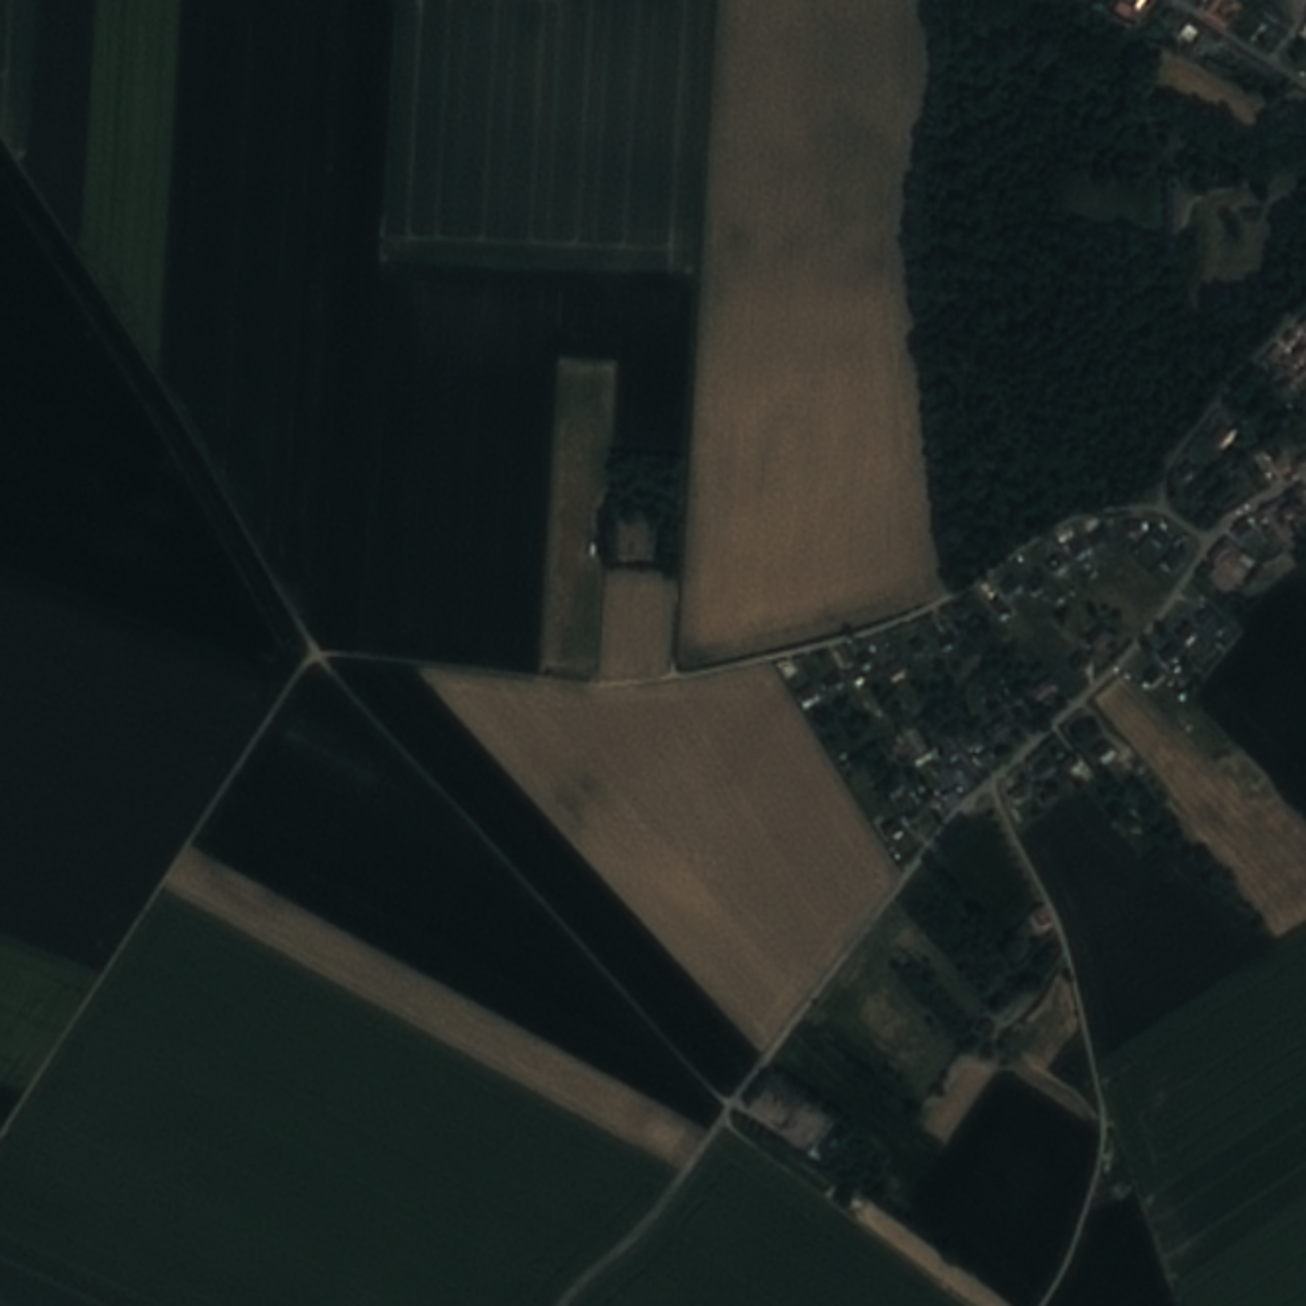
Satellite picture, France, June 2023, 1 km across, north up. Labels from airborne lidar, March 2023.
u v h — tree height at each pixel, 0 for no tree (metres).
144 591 0
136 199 0
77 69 0
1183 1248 0
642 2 0
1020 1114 0
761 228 0
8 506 0
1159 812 6
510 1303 0
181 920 0
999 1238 0
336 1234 0
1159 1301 0
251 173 0
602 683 0
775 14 0
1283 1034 0
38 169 0
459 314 0
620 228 0
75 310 0
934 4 16
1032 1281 0
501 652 0
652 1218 0
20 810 0
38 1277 0
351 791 0
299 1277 0
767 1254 0
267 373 0
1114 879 0
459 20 0
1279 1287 0
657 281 0
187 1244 0
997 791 0
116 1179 0
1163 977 0
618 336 0
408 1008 0
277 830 0
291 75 0
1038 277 22
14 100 0
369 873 0
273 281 0
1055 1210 0
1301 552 12
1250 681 0
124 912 0
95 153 0
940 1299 0
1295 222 21
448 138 0
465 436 0
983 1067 0
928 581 0
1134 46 10
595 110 0
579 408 0
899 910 0
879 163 0
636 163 0
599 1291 0
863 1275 0
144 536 0
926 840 0
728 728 0
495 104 0
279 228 0
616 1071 0
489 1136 0
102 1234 0
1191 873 0
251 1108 0
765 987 0
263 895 0
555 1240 0
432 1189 0
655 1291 0
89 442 0
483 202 0
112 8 0
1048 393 11
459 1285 0
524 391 0
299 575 0
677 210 0
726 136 0
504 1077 0
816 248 0
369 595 0
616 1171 0
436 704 0
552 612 0
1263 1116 0
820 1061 0
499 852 0
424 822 0
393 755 0
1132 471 14
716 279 0
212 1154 0
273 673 0
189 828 0
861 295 0
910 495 0
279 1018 0
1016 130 21
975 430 19
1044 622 0
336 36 0
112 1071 0
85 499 0
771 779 0
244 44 0
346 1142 0
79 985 0
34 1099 0
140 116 0
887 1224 0
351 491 0
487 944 0
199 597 0
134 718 0
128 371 0
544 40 0
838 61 0
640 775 0
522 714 0
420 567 0
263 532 0
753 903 0
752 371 0
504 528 0
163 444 0
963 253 20
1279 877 0
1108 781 9
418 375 0
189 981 0
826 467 0
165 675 0
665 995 0
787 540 0
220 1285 0
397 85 0
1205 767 0
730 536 0
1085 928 0
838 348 0
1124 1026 0
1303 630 0
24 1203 0
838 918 0
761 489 0
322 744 0
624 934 0
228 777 0
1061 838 0
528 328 0
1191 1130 0
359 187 0
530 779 0
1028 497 19
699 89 0
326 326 0
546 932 0
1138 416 15
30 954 0
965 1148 0
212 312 0
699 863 0
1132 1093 0
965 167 19
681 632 0
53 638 0
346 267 0
